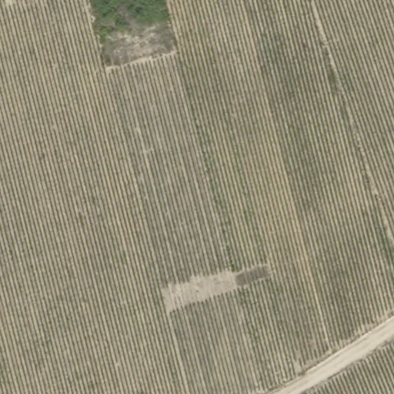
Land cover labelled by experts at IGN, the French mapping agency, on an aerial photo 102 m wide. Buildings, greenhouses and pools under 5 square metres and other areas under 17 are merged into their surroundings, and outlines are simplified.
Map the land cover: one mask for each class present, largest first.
<instances>
[{"label":"vineyard","instance_id":"1","mask_svg":"<svg viewBox=\"0 0 394 394\"><path fill-rule=\"evenodd\" d=\"M169 18L177 40V45L172 48L175 57L154 63L152 57H143L122 65L105 66L102 65L100 58L102 43L92 26L95 17L92 14L91 0H0V394H271L277 389L291 385L295 377H305L309 369L319 365L329 356H334L349 343L356 342L360 336H365L377 325L394 316V0H165ZM300 394H394V337L372 349L362 359L349 363L345 368L331 374L328 379L305 389Z\"/></svg>","mask_w":394,"mask_h":394},{"label":"herbaceous vegetation","instance_id":"2","mask_svg":"<svg viewBox=\"0 0 394 394\"><path fill-rule=\"evenodd\" d=\"M125 32L109 34L106 43H102L100 58L102 65L105 66L122 65L143 57H152L154 63L175 57L172 48L177 45V40L169 18L168 22H155L149 26L137 23L134 18L123 29Z\"/></svg>","mask_w":394,"mask_h":394},{"label":"brushwood","instance_id":"3","mask_svg":"<svg viewBox=\"0 0 394 394\"><path fill-rule=\"evenodd\" d=\"M92 14L95 17L92 26L102 43H106L109 34L125 32L123 29L134 18L137 23L149 26L155 22H168L169 18L165 0H91Z\"/></svg>","mask_w":394,"mask_h":394},{"label":"pervious surface","instance_id":"4","mask_svg":"<svg viewBox=\"0 0 394 394\"><path fill-rule=\"evenodd\" d=\"M394 337V316L377 325L365 336H360L356 342L349 343L334 356H329L319 365L309 369L305 377H295L291 385L277 389L271 394H300L305 389L328 379L331 374L345 368L349 363L362 359L372 349Z\"/></svg>","mask_w":394,"mask_h":394}]
</instances>
